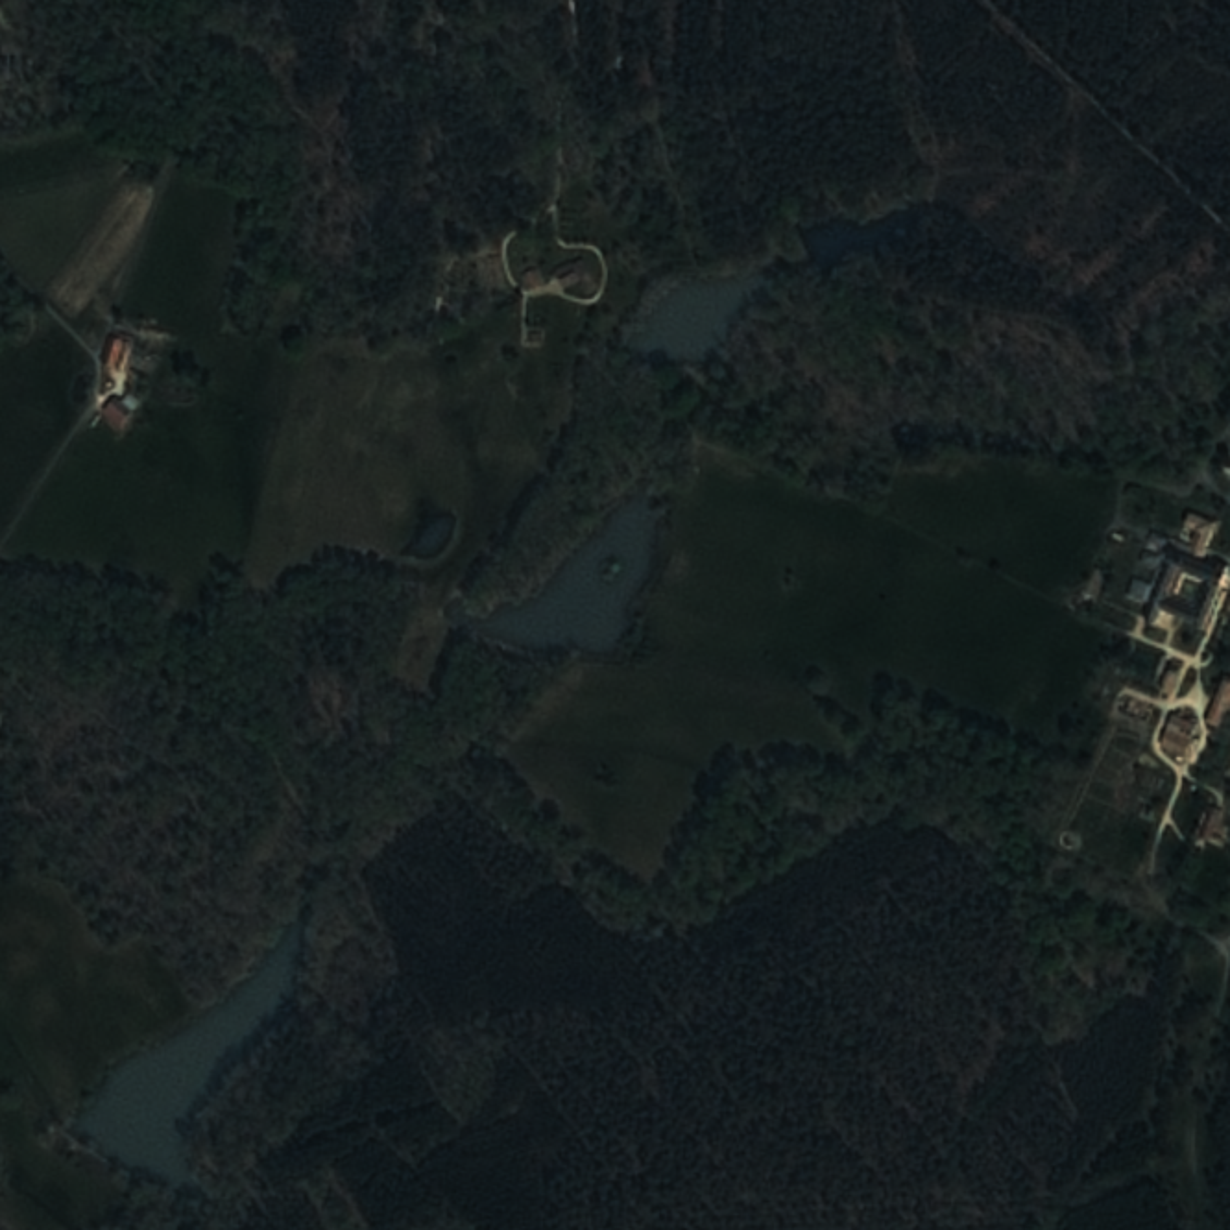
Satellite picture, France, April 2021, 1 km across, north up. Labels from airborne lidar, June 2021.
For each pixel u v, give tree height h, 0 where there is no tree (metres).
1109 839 0
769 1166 18
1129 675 12
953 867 20
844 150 29
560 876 10
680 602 0
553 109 20
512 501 0
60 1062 0
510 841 22
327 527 0
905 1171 20
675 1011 17
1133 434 19
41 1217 0
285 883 20
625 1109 18
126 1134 0
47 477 0
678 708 0
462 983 14
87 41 17
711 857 26
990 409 21
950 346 18
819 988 20
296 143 21
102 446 0
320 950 14
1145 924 16
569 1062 17
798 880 11
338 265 7
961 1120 23
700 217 21
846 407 14
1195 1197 0
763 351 17
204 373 25
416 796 22
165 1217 20
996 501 0
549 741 0
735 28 16
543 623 0
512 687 21
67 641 19
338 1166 15
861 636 0
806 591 0
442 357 0
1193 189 17
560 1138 13
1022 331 8
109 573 0
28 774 13
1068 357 18
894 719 22
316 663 24
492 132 19
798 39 22
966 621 0
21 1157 0
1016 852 15
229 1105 24
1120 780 0
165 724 21
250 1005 0
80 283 0
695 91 24
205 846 17
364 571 19
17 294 21
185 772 22
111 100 21
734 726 0
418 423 0
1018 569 0
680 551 0
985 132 19
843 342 25
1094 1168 7
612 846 0
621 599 0
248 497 0
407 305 13
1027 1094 11
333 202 12
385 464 0
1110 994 21
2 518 0
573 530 18
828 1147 17
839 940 17
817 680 15
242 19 21
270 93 25
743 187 24
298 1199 21
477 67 19
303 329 7
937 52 15
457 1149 12
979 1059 19
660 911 18
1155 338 17
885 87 23
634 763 0
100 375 0
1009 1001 20
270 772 26
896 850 15
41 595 23
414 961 15
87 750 6
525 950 14
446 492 0
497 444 0
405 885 9
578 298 0
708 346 0
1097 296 6
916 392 22
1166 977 15
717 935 11
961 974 18
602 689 0
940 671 0
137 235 0
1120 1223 16
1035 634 0
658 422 26
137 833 14
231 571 23
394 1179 14
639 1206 15
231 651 24
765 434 21
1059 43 17
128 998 0
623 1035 19
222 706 17
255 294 25
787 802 25
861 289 21
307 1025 24
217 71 21
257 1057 20
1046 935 24
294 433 0
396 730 18
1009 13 16
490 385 0
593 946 15
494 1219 14
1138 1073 17
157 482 0
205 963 21
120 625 26
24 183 0
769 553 0
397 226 25
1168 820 0
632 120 16
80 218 0
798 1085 20
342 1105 17
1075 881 14
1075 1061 15
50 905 0
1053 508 0
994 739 23
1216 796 0
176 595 20
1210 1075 6
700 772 0
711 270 16
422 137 25
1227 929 8
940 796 20
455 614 0
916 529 0
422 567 0
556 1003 12
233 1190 22
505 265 0
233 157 20
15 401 0
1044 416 12
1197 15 6
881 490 19
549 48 23
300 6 16
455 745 27
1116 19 14
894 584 0
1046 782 19
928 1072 21
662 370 21
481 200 16
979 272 22
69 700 11
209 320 0
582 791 0
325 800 24
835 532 0
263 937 21
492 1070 16
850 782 26
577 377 12
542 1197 13
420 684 0
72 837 10
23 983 0
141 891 13
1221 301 19
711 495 0
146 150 16
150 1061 0
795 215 19
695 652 0
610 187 11
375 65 18
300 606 21
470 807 18
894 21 10
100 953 0
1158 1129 20
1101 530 0
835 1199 16
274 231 9
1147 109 10
